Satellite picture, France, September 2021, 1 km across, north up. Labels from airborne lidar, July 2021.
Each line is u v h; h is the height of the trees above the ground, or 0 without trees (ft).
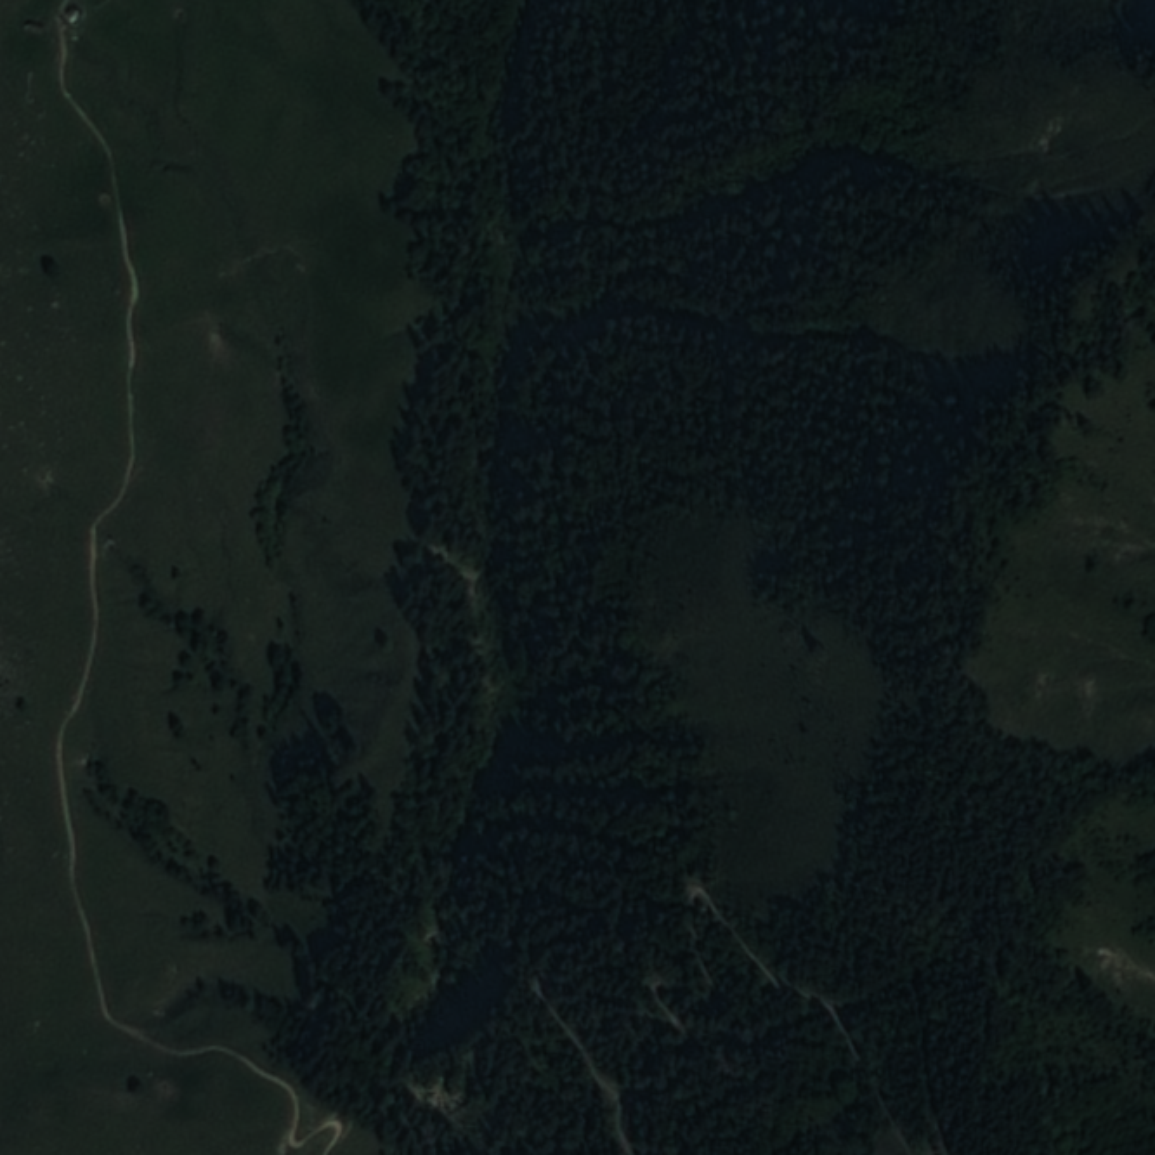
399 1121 51
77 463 0
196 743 0
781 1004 77
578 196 43
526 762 54
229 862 0
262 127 0
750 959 30
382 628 0
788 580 32
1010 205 0
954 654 55
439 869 103
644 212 43
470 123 40
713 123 80
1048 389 21
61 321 0
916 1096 56
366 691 0
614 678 73
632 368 36
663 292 83
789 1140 28
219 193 0
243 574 0
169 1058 0
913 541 29
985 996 56
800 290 61
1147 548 0
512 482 41
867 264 32
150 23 0
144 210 0
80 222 0
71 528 0
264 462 0
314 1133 0
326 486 0
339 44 0
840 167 75
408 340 0
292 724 0
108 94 0
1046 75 0
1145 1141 51
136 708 0
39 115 0
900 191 46
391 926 60
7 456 0
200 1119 0
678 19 38
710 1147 62
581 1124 75
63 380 0
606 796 38
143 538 0
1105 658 0
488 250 39
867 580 43
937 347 0
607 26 35
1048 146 0
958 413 24
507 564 51
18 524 0
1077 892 36
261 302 0
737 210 49
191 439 0
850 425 29
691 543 0
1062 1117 58
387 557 0
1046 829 43
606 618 48
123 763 0
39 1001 0
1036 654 0
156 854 35
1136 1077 28
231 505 0
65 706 0
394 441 0
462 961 54
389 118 0
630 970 35
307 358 0
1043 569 0
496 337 28
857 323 35
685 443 47
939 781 32
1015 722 0
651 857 48
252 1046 0
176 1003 0
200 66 0
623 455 52
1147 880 52
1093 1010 78
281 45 0
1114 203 0
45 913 0
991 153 0
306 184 0
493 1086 92
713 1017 52
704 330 50
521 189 59
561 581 38
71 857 0
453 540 86
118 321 0
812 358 32
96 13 0
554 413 59
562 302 30
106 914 0
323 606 0
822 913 42
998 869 72
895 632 45
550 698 25
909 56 32
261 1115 0
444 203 41
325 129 0
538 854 65
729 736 0
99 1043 0
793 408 26
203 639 40
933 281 0
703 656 0
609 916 62
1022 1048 32
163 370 0
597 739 44
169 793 0
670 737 25
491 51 38
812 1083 36
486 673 96
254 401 0
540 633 22
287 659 45
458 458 105
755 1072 87
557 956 62
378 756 0
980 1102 46
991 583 21
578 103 36
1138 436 0
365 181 0
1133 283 42
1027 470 32
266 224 0
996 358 0
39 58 0
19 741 0
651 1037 43
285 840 33
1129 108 0
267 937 0
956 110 20
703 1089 61
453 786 61
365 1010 91
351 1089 39
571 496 54
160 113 0
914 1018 60
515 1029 60
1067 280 19
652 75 40
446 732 87
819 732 0
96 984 0
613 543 45
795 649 0
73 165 0
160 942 0
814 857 0
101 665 0
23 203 0
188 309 0
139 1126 0
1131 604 28
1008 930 84
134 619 0
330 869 41
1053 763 53
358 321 0
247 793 0
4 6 0
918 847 61
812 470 38
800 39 31
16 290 0
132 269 0
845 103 58
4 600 0
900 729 31
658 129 36
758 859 0
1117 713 0
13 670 0
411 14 23
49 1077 0
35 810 0
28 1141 0
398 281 0
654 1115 83
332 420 0
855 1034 76
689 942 37
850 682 0
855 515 35
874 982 78
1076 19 0
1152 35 0
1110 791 57
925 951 43
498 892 73
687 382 50
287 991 0
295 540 0
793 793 0
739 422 21
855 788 24
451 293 43
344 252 0
